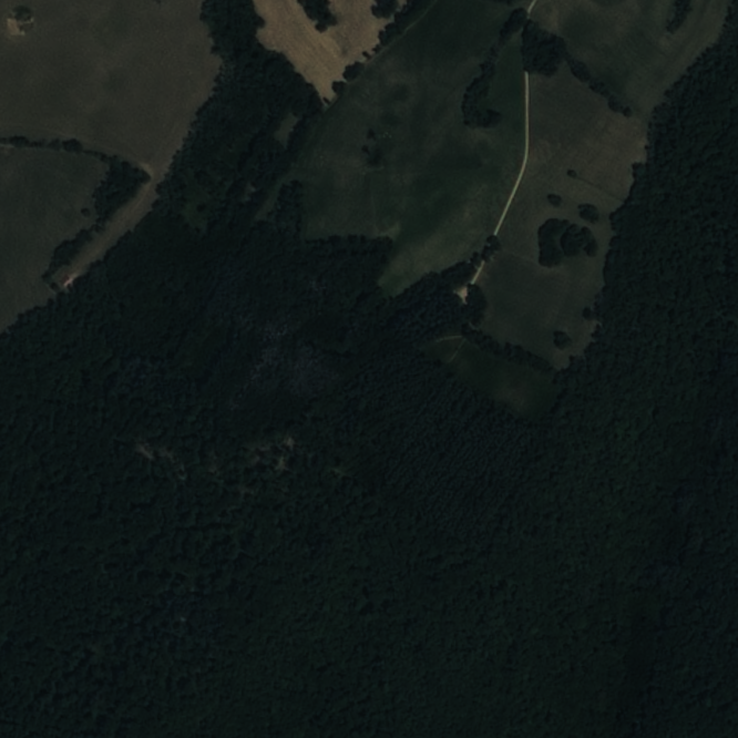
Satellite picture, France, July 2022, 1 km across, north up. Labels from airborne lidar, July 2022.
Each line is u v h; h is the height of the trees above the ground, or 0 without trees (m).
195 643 18
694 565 20
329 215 0
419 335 28
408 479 14
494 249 13
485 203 0
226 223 15
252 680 14
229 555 24
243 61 25
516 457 18
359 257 20
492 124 16
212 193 9
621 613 24
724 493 20
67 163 0
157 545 27
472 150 0
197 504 11
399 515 17
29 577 21
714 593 25
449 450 19
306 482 19
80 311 16
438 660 17
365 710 17
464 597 19
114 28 0
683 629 20
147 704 21
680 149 26
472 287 13
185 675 8
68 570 18
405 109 0
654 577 33
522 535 21
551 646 23
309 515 24
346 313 14
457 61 0
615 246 14
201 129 16
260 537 22
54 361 20
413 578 19
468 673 17
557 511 18
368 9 0
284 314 20
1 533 25
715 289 21
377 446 18
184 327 15
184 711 18
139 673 25
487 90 17
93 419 22
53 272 10
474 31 0
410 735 13
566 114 0
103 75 0
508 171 0
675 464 23
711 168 21
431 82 0
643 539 20
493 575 18
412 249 0
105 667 20
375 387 21
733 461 21
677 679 21
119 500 21
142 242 10
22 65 0
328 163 0
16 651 23
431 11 0
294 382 19
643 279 21
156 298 20
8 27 0
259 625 16
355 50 0
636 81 0
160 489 23
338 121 0
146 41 0
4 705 21
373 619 25
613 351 17
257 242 20
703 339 24
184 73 0
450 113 0
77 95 0
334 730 22
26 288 0
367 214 0
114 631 22
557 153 0
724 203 26
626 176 0
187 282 20
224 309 26
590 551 23
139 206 0
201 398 23
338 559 21
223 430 15
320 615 14
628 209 16
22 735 18
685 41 0
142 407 21
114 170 13
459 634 18
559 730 19
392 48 0
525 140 0
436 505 13
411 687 17
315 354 25
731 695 17
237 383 24
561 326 0
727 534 19
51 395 20
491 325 0
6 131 0
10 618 21
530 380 0
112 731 19
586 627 22
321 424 19
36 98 0
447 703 16
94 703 29
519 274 0
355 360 24
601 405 16
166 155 0
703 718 19
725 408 18
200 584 16
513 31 18
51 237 0
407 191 0
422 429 14
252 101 18
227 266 19
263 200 17
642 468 19
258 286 24
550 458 17
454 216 0
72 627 20
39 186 0
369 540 21
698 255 16
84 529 21
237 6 12
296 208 20
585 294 0
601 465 16
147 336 15
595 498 16
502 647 21
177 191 20
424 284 10
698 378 17
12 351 17
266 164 21
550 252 15
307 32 0
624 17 0
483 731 17
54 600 19
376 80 0
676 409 22
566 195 0
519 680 19
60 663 26
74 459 25
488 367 0
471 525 12
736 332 25
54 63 0
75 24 0
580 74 21
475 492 13
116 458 23
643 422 20
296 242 20
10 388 18
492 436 21
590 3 0
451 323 27
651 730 19
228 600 28
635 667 12
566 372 16
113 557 10
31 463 18
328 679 23
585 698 28
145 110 0
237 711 18
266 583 19
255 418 27
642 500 21
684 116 22
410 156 0
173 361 26
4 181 0
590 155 0
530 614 20
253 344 23
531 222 0
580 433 19
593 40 0
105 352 25
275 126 17
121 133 0
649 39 0
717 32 0
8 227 0
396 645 17
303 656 23
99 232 15
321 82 0
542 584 21
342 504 19
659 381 21
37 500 21
